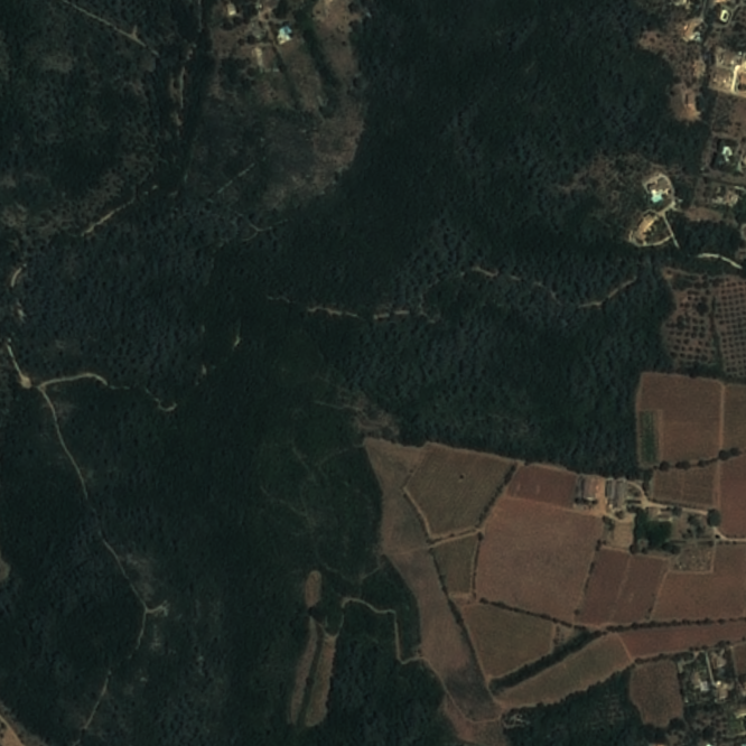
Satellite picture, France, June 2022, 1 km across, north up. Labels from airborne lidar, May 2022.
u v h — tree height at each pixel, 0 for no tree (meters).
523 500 0
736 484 0
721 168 16
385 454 0
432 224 13
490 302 8
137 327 17
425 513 0
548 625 0
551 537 0
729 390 0
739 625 0
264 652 11
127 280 14
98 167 8
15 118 10
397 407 12
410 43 9
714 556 0
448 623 0
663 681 0
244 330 12
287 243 9
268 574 10
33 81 5
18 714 7
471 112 22
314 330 10
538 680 0
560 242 16
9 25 8
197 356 12
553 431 13
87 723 0
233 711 10
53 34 14
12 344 12
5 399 13
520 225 15
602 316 15
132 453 11
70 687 6
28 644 15
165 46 10
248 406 16
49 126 17
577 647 8
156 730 7
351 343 11
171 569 7
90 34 15
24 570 7
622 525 0
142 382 6
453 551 0
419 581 0
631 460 16
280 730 10
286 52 0
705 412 0
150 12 9
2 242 6
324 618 10
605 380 22
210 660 8
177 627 7
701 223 7
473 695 0
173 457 14
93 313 8
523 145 23
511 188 14
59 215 13
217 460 12
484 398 11
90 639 6
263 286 13
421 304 19
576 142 9
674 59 7
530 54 10
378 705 21
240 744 16
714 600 0
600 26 23
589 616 0
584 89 11
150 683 8
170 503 10
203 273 21
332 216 7
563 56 12
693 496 0
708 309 7
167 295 17
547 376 9
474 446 13
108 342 12
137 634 6
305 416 6
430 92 9
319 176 0
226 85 8
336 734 14
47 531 6
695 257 9
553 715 10
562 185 19
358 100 5
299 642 11
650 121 12
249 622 14
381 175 14
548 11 12
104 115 9
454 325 11
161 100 8
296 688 0
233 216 6
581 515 0
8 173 11
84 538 18
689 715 9
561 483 0
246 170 7
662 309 13
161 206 9
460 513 0
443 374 19
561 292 23
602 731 9
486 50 12
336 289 12
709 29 5
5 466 7
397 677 13
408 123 10
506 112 11
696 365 6
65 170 7
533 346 21
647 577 0
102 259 14
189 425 12
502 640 0
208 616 5
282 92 0
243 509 13
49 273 16
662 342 20
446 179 13
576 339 15
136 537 6
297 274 9
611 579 0
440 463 0
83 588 12
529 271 17
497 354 9
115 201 8
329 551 6
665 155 6
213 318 11
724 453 10
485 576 0
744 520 0
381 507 8
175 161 9
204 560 10
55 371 10
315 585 0
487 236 11
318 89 0
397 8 6
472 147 20
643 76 7
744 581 0
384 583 6
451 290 12
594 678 0
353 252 9
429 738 14
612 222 11
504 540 0
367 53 6
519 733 9
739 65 0
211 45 11
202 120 8
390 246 11
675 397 0
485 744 0
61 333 16
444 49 8
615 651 0
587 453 6
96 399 9
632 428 10
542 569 0
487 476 0
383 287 10
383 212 10
